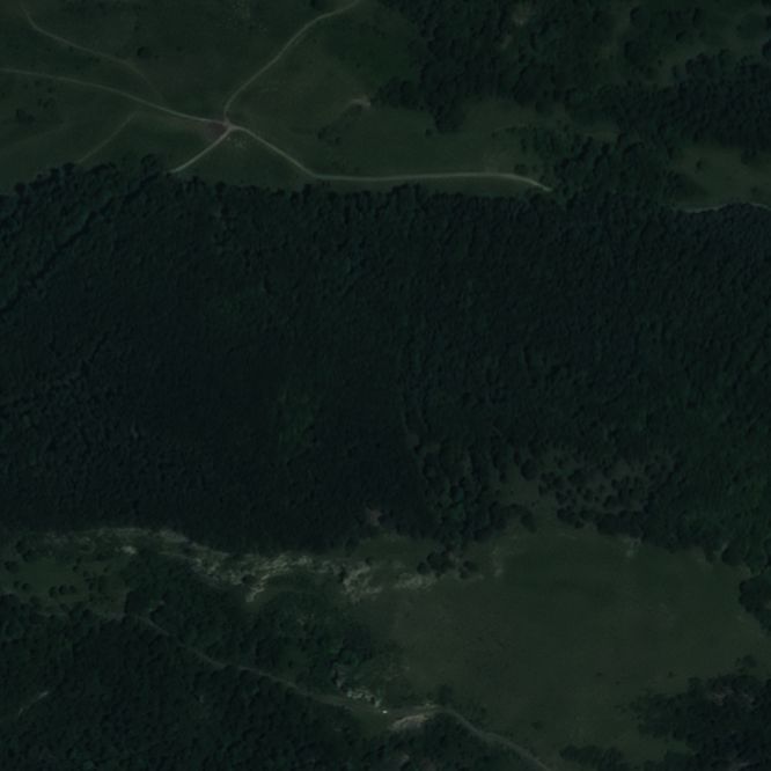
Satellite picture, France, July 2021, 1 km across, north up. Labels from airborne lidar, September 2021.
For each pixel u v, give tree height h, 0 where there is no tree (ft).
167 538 0
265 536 72
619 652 0
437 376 61
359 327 106
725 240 79
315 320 95
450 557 63
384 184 0
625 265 77
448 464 68
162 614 74
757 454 106
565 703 0
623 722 0
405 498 92
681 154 49
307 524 82
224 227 98
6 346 93
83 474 101
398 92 38
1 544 23
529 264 63
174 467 103
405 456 97
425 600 0
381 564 0
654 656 0
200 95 0
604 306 64
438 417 72
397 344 99
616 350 69
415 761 24
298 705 76
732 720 53
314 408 62
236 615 70
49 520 72
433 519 64
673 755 19
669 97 52
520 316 67
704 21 43
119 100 0
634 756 0
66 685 72
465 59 79
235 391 63
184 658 73
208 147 0
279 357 91
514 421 76
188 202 75
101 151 0
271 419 77
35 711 33
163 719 58
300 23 0
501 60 89
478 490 46
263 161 0
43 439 102
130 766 60
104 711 48
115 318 81
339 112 0
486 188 0
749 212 77
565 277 82
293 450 79
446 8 113
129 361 88
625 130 23
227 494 93
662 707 31
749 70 56
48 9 0
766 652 0
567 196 39
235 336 54
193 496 90
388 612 0
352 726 24
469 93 102
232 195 84
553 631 0
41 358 99
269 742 53
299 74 0
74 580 0
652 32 25
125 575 52
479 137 0
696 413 90
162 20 0
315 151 0
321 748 78
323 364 100
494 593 0
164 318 71
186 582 40
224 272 105
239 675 50
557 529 0
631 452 86
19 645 63
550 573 0
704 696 27
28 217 77
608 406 99
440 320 60
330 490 94
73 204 86
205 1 0
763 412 69
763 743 49
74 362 108
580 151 30
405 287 91
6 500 82
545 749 0
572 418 84
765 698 56
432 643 0
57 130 0
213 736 31
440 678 0
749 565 39
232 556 37
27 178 0
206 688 52
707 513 114
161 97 0
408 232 96
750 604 57
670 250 78
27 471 102
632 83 62
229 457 90
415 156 0
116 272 75
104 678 58
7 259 85
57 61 0
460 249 93
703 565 0
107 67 0
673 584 0
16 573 55
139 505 74
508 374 103
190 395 92
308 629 50
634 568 0
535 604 0
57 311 71
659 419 112
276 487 87
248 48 0
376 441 94
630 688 0
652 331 59
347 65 0
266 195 94
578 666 0
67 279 83
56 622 73
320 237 101
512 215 72
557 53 82
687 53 0
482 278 74
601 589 0
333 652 77
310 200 108
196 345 61
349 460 93
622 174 32
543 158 25
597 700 0
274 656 72
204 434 85
